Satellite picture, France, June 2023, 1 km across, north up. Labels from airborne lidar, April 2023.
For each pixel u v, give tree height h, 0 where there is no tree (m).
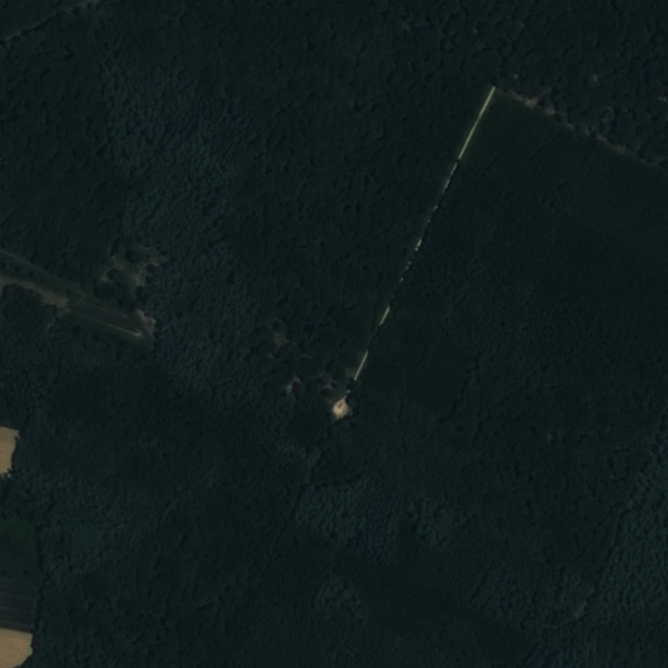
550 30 33
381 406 23
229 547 27
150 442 25
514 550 25
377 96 22
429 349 14
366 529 26
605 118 25
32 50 31
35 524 25
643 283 20
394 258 29
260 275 27
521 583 21
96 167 27
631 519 27
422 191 29
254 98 26
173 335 28
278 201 30
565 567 29
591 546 26
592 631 20
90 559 29
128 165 36
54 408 31
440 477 30
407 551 12
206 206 28
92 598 29
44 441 22
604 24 29
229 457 21
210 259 34
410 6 28
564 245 21
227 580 31
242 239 29
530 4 30
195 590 16
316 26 29
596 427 28
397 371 9
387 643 18
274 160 26
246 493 23
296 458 33
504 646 13
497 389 22
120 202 26
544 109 26
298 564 23
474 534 11
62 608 26
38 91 28
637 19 31
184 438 25
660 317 21
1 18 26
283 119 27
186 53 27
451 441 24
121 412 27
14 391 22
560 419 29
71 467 20
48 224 23
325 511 35
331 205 28
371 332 10
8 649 0
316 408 28
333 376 27
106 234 27
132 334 0
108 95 28
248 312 24
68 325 23
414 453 26
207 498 24
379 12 32
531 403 31
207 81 29
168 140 26
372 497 26
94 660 24
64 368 28
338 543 37
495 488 29
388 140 31
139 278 0
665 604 20
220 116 29
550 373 26
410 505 23
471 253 19
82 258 28
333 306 23
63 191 24
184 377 32
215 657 29
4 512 30
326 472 11
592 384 26
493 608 24
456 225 19
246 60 27
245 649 17
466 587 13
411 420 20
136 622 29
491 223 15
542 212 17
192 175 27
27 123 35
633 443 26
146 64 23
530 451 30
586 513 28
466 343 12
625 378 25
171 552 28
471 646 19
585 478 30
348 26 28
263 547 25
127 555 19
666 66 31
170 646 29
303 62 23
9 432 0
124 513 22
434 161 28
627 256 20
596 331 21
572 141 22
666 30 27
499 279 18
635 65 15
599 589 24
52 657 26
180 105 29
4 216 25
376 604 14
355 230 32
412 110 34
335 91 26
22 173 21
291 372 28
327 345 33
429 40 33
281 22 31
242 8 32
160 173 26
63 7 23
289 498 22
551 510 27
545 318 19
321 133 23
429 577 15
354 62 19
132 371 23
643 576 30
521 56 24
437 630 13
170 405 23
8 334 28
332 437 20
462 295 20
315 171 25
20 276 12
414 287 20
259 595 19
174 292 32
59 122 33
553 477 30
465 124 31
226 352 23
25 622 0
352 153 25
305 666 18
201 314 13
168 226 32
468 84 29
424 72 33
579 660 30
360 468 26
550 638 26
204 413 23
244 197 28
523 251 19
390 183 31
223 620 22
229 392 27
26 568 0
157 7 29
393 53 25
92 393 32
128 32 30
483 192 18
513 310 17
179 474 25
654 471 31
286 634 19
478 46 32
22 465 21
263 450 24
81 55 34
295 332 30
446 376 8
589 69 29
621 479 27
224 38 26
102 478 19
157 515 21
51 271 26
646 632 19
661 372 20
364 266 26
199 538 23
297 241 17
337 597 12
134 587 22
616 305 18
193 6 24
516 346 19
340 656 19
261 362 28
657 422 19
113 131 38
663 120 30
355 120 22
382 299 31
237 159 28
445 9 32
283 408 26
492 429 30
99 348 25
